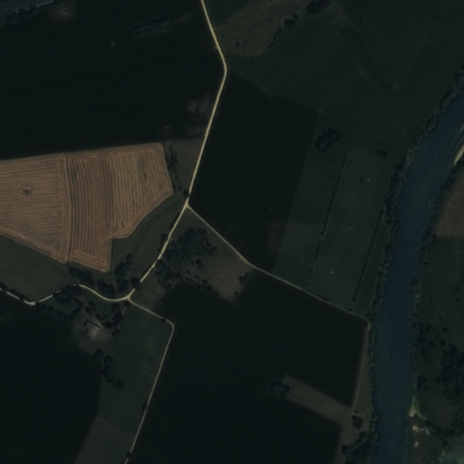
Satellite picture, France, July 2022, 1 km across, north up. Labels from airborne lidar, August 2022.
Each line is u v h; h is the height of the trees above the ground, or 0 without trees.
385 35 0
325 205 0
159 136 0
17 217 0
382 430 0
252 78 0
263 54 0
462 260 0
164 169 0
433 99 0
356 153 0
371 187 0
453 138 0
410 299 0
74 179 0
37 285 0
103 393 0
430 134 0
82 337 0
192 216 0
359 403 0
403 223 0
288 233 0
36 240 0
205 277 0
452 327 0
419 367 0
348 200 0
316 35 0
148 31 9
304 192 0
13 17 23
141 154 0
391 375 0
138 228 0
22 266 0
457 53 0
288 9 0
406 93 0
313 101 0
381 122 0
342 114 0
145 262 0
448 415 0
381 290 12
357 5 0
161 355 0
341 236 0
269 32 0
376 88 0
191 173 0
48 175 0
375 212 0
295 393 0
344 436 0
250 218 0
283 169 0
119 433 0
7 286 11
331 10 0
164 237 13
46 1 0
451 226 0
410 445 0
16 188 0
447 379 21
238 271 0
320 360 0
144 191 0
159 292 0
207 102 0
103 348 0
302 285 0
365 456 9
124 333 0
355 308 0
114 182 0
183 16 0
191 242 31
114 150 0
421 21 0
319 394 0
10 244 0
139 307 0
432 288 0
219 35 0
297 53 0
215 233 0
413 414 0
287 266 0
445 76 0
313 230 0
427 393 14
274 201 0
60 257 0
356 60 0
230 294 0
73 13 0
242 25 0
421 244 0
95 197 0
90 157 0
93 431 0
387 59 0
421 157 0
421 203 0
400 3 0
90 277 26
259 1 0
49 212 0
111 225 0
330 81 0
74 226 0
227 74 0
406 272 0
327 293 0
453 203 0
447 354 16
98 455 0
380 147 0
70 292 14
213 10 0
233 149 0
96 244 0
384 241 0
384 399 0
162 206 0
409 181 0
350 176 0
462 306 0
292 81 0
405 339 0
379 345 0
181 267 32
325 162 0
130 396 0
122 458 0
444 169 0
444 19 0
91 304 13
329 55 0
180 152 0
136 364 0
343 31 0
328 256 0
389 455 0
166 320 9
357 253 0
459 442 0
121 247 0
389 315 0
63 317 17
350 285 0
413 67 0
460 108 0
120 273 18
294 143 0
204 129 0
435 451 0
